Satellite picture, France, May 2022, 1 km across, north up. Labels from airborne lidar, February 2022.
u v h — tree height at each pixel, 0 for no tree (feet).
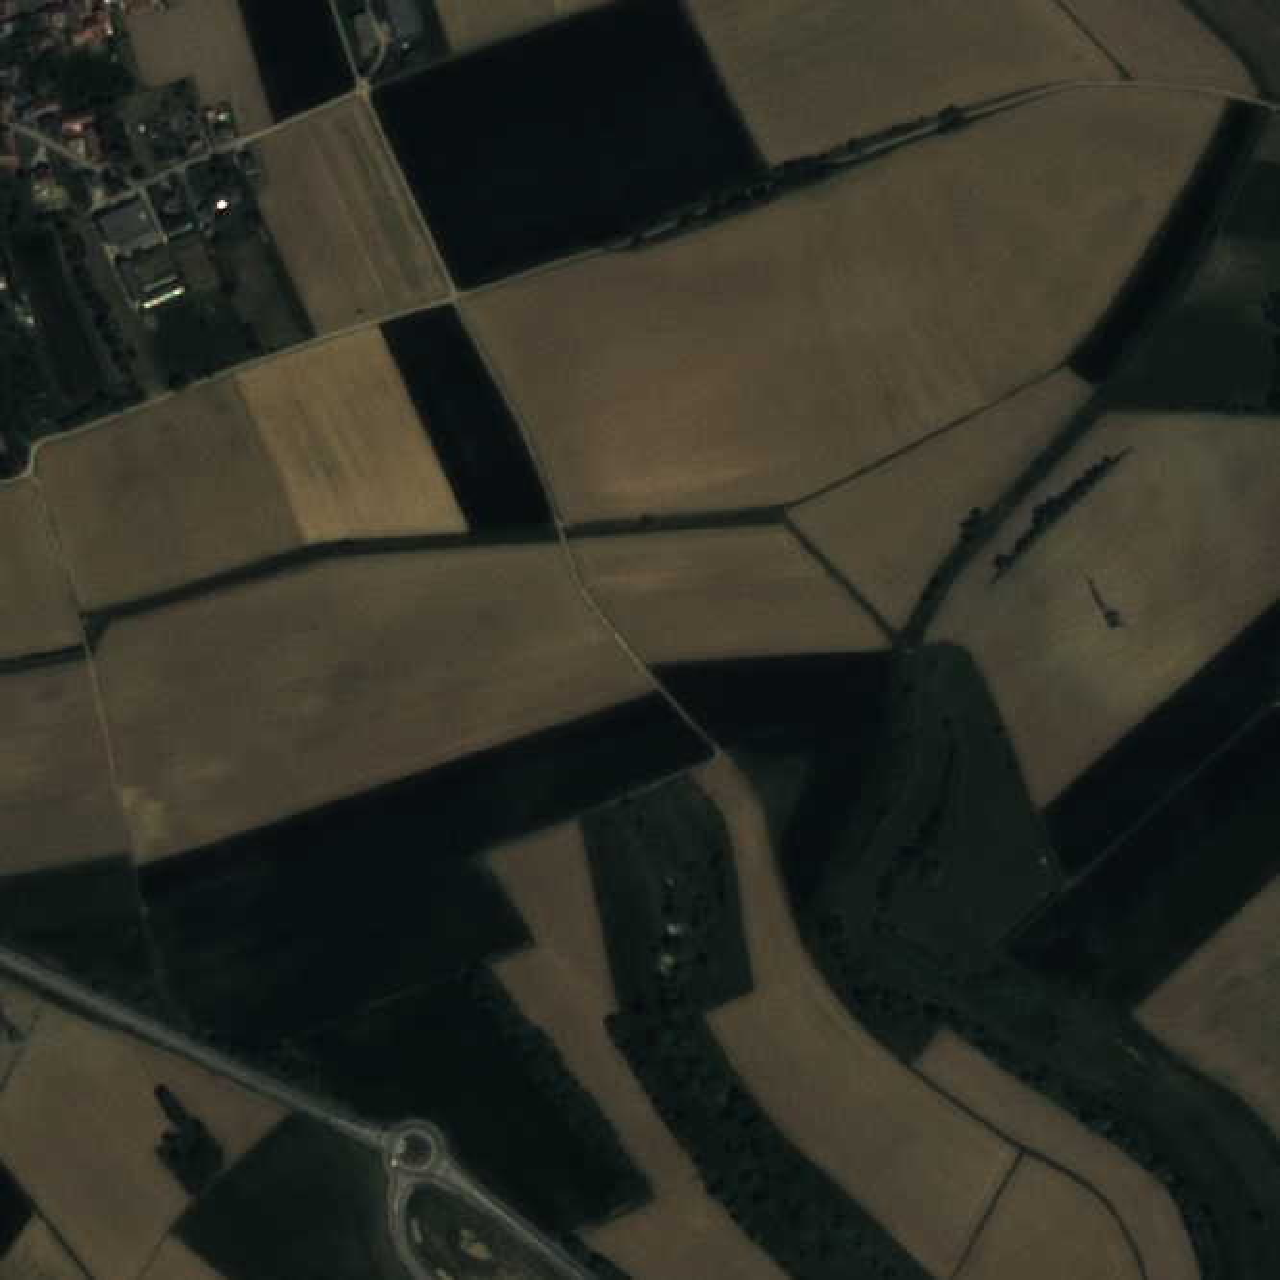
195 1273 0
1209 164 0
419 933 0
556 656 0
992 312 0
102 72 0
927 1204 0
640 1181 37
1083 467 0
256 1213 0
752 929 0
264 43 0
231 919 0
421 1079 0
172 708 0
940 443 0
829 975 0
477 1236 0
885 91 0
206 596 0
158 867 0
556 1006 0
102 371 0
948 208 0
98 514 0
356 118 0
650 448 0
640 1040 0
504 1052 0
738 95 0
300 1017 0
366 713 0
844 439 0
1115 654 0
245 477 0
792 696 0
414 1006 0
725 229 0
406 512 0
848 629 0
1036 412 0
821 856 0
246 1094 0
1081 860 0
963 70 0
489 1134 0
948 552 0
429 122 0
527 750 0
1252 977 0
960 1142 0
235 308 0
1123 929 0
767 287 0
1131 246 0
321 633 0
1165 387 0
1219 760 0
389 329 0
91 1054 0
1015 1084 0
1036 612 0
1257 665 0
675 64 0
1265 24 0
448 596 0
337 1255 0
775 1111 0
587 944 0
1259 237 0
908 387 0
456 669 0
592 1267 45
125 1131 0
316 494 0
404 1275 0
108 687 0
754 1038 0
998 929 0
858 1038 0
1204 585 0
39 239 0
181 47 0
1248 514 0
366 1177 0
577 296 0
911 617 0
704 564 0
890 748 0
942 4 0
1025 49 0
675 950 45
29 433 19
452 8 0
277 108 0
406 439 0
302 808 0
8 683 0
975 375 0
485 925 0
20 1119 0
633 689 0
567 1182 0
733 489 0
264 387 0
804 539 0
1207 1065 0
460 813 0
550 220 0
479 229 0
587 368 0
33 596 0
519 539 0
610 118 0
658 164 0
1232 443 0
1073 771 0
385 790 0
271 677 0
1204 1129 0
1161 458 0
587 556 0
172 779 0
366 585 0
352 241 0
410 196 0
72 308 0
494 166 0
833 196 0
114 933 0
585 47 0
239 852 0
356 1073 0
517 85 0
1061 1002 0
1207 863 0
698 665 0
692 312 0
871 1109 0
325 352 0
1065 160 0
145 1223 0
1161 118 0
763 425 0
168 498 0
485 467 0
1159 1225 0
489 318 0
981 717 0
